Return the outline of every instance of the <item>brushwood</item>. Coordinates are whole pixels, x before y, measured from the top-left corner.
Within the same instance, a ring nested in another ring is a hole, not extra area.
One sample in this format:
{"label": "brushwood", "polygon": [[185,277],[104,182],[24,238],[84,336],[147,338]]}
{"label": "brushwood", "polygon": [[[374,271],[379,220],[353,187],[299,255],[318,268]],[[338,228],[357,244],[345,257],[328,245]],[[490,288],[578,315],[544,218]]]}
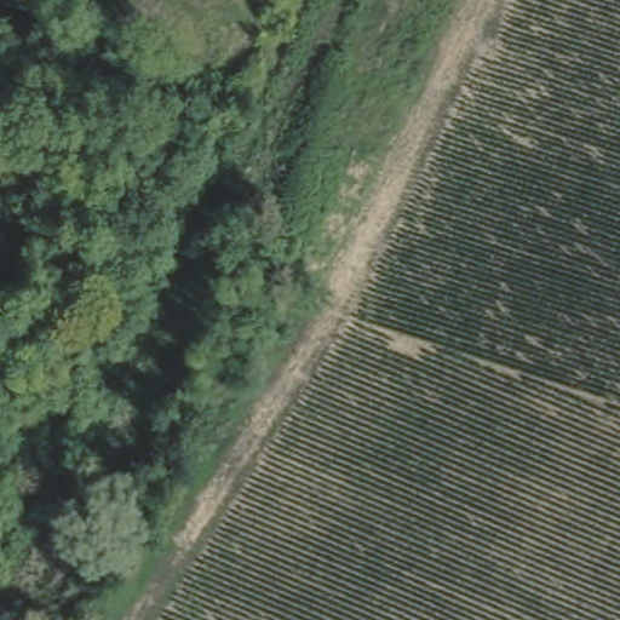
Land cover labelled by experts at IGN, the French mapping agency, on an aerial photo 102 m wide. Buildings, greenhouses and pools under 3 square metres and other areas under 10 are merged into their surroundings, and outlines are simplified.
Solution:
{"label": "brushwood", "polygon": [[199,494],[208,487],[213,477],[218,455],[233,448],[240,431],[249,424],[257,402],[279,380],[288,358],[305,341],[312,320],[322,315],[325,298],[305,266],[303,247],[288,235],[286,225],[281,223],[276,196],[264,199],[262,213],[257,213],[254,203],[247,201],[228,223],[220,223],[211,230],[211,245],[220,257],[220,283],[216,291],[216,298],[220,300],[220,315],[213,329],[201,339],[201,344],[194,344],[186,354],[186,363],[189,368],[194,368],[194,378],[184,385],[186,390],[177,390],[170,400],[170,407],[160,412],[153,421],[153,426],[157,429],[155,465],[143,467],[138,475],[131,475],[131,484],[140,494],[138,509],[143,513],[143,521],[148,523],[148,543],[140,550],[140,572],[126,579],[119,574],[104,574],[102,579],[90,581],[56,550],[36,552],[31,543],[34,533],[22,526],[19,518],[0,521],[0,620],[124,620],[128,608],[145,591],[155,572],[155,564],[174,543],[174,535],[184,530],[186,521],[196,511]]}

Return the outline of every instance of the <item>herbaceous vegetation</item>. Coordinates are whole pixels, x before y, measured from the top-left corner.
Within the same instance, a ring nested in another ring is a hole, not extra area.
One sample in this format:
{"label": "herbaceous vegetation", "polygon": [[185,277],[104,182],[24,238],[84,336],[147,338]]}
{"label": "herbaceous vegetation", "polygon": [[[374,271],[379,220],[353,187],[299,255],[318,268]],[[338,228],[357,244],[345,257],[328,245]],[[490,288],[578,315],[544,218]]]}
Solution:
{"label": "herbaceous vegetation", "polygon": [[153,421],[160,412],[170,407],[170,400],[177,390],[186,390],[184,385],[194,378],[194,368],[189,368],[186,363],[186,354],[194,344],[201,344],[201,339],[213,329],[220,315],[220,300],[216,298],[216,291],[220,283],[220,257],[211,245],[211,230],[220,223],[228,223],[247,201],[254,203],[257,213],[262,213],[264,199],[276,196],[281,223],[286,225],[288,235],[303,247],[308,247],[310,240],[325,228],[329,203],[341,186],[341,174],[351,165],[363,162],[368,155],[385,155],[390,150],[390,136],[404,128],[409,109],[424,94],[426,82],[438,63],[441,39],[450,31],[450,17],[455,15],[458,0],[128,0],[131,7],[136,7],[133,22],[128,24],[131,29],[138,29],[145,36],[170,39],[179,44],[184,56],[191,61],[189,73],[179,80],[177,97],[182,99],[182,114],[194,116],[191,128],[206,131],[211,143],[216,143],[218,170],[203,184],[199,201],[179,211],[182,230],[174,247],[174,269],[170,271],[167,288],[160,291],[157,317],[150,320],[145,334],[136,339],[136,351],[126,361],[102,363],[99,368],[104,388],[114,397],[121,397],[133,407],[131,421],[121,426],[99,421],[82,431],[82,446],[97,455],[99,470],[78,477],[73,477],[63,463],[63,441],[70,431],[70,421],[75,419],[73,412],[65,409],[61,414],[46,414],[34,426],[22,426],[22,443],[15,453],[15,458],[22,460],[15,472],[15,480],[19,482],[17,492],[22,499],[19,518],[22,526],[34,533],[31,543],[36,552],[56,550],[53,518],[78,511],[80,518],[87,518],[87,489],[102,482],[102,472],[131,475],[138,475],[143,467],[155,465],[157,429],[153,426]]}

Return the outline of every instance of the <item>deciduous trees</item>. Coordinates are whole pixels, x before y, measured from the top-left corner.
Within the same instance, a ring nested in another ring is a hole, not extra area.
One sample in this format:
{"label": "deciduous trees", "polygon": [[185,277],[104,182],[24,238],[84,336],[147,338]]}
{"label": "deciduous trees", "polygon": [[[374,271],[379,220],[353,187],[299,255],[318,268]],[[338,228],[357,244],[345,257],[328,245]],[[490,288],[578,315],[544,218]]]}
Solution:
{"label": "deciduous trees", "polygon": [[136,339],[145,334],[150,320],[157,317],[160,291],[167,288],[170,271],[174,269],[174,247],[182,230],[179,211],[199,201],[203,184],[218,170],[216,143],[211,143],[206,131],[191,128],[194,116],[182,114],[182,99],[177,97],[179,80],[189,73],[191,61],[184,56],[179,44],[170,39],[145,36],[138,29],[131,29],[128,24],[133,22],[136,7],[131,7],[128,0],[0,0],[0,521],[19,518],[22,499],[17,492],[19,482],[15,480],[15,472],[22,460],[15,458],[15,453],[22,443],[22,426],[34,426],[46,414],[61,414],[65,409],[73,412],[75,419],[70,421],[70,431],[63,441],[63,463],[73,477],[78,477],[99,470],[97,455],[82,446],[82,431],[99,421],[121,426],[131,421],[133,407],[121,397],[114,397],[104,388],[99,368],[102,363],[126,361],[136,351]]}
{"label": "deciduous trees", "polygon": [[80,518],[78,511],[53,518],[56,550],[90,581],[102,579],[104,574],[119,574],[126,579],[140,572],[140,550],[148,543],[148,523],[143,521],[143,513],[138,509],[140,494],[131,484],[131,475],[102,472],[102,482],[87,489],[87,518]]}

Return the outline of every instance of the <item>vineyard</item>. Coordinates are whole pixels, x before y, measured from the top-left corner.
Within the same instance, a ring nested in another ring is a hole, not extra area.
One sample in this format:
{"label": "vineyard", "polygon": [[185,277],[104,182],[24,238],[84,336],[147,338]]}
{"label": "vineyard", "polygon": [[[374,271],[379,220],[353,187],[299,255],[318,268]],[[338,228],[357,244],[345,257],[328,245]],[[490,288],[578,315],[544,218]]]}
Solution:
{"label": "vineyard", "polygon": [[303,247],[305,266],[325,298],[322,315],[312,320],[305,341],[288,358],[279,380],[257,402],[249,424],[240,431],[233,448],[218,455],[213,477],[208,487],[199,494],[196,511],[186,521],[184,530],[174,535],[174,543],[155,564],[155,572],[145,591],[128,608],[124,620],[620,620],[620,0],[458,0],[455,15],[450,17],[450,31],[441,39],[438,63],[426,82],[424,94],[409,109],[404,128],[390,136],[390,150],[385,155],[368,155],[363,162],[351,165],[341,174],[341,186],[329,203],[325,228],[310,240],[308,247]]}

